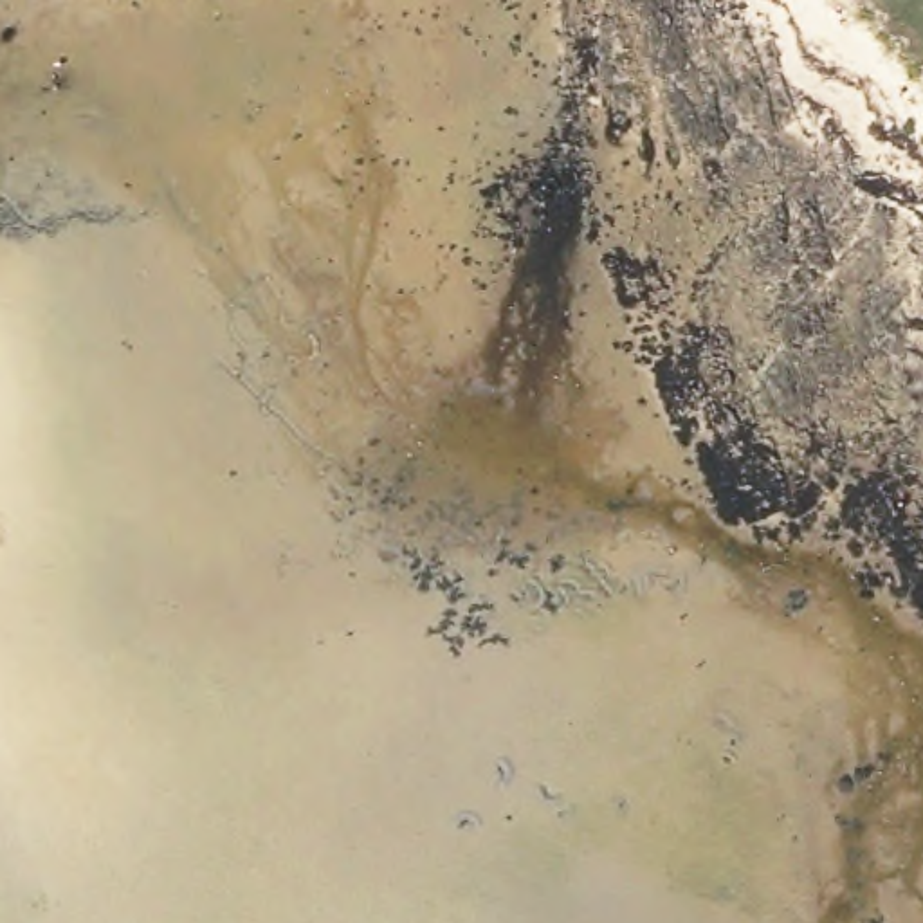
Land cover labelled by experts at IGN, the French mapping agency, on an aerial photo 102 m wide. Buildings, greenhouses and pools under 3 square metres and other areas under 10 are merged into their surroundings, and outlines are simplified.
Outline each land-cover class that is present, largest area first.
<instances>
[{"label":"bare soil","instance_id":"1","mask_svg":"<svg viewBox=\"0 0 923 923\"><path fill-rule=\"evenodd\" d=\"M891 14L880 0H0V923H923V617L909 599L894 595L901 588V570L887 544L862 548L858 555L851 552V526L840 516V505L847 487L862 483L876 469V458L887 454V469L894 462H909L912 472H919L912 487H898V494H909V516H919L923 508V40L894 36L887 29ZM617 249H624L635 260H656L660 267L678 270V278L663 292H653L656 303H667L663 310L617 303L613 274L606 267V256ZM681 343L703 350L699 382L692 389V407L667 411L653 371L663 361V346L681 353ZM746 422L757 425V443L772 447L768 469L808 476L811 487L822 494L811 512H775L750 523H725L717 516V505L699 469V447L736 433Z\"/></svg>","mask_w":923,"mask_h":923},{"label":"herbaceous vegetation","instance_id":"2","mask_svg":"<svg viewBox=\"0 0 923 923\"><path fill-rule=\"evenodd\" d=\"M891 14L887 29L894 36L923 40V0H880ZM606 267L613 274L617 303L663 310L667 303H656L653 292H663L678 278V270L660 267L656 260H635L624 249H617L606 256ZM703 350L681 343V353L663 346V361L653 371L667 411L692 407V389L699 382ZM772 447L757 443V425L746 422L736 433L699 447V469L717 505V516L725 523H750L775 512H811L822 494L811 487L808 476L768 469ZM919 472H912L909 462H894L887 469V454L876 458V469L862 483L847 487L840 505V516L851 526V552L858 555L862 548L887 544L901 570V588L894 595L909 599L923 617V508L919 516H909V494H898V487H912Z\"/></svg>","mask_w":923,"mask_h":923}]
</instances>
